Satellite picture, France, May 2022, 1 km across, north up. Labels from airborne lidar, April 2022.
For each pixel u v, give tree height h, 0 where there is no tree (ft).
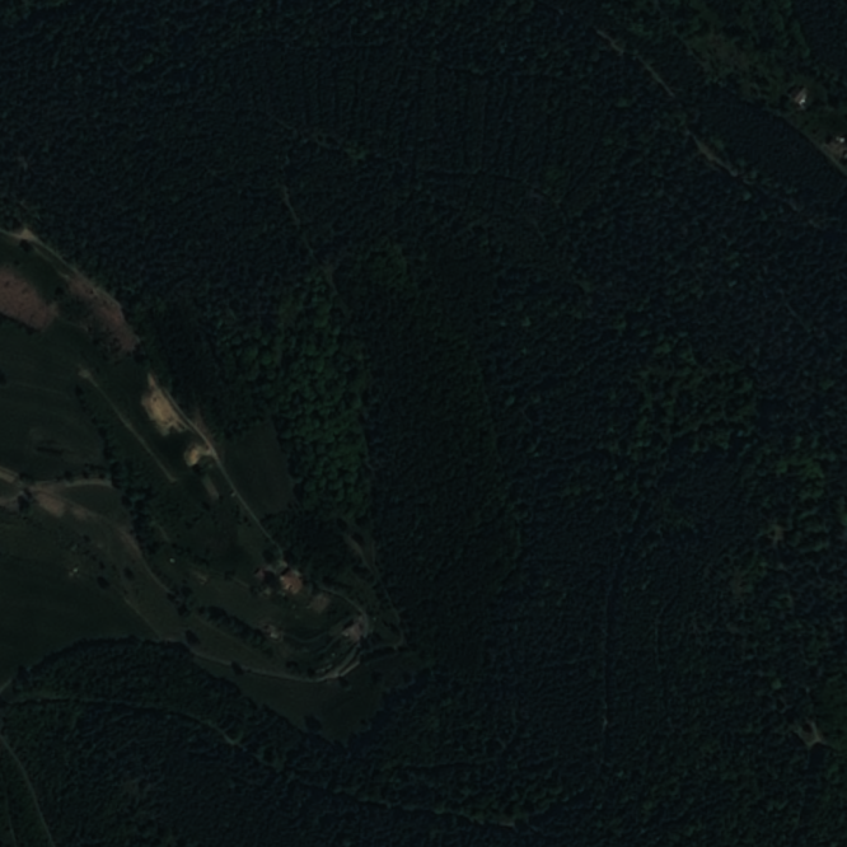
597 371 91
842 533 45
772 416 102
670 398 65
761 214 103
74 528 0
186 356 30
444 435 43
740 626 43
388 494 35
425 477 53
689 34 87
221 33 89
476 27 84
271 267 60
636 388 33
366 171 58
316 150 57
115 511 0
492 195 54
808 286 91
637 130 69
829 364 109
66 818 27
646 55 66
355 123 57
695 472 78
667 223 102
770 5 76
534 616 76
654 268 105
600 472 70
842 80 58
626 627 56
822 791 52
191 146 71
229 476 0
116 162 76
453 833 62
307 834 64
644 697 52
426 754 43
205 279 81
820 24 74
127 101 67
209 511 53
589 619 58
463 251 33
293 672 36
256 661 0
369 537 0
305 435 71
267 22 89
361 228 62
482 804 44
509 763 56
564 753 76
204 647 0
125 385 0
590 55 96
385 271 26
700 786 32
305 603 0
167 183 75
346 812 45
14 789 23
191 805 55
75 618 0
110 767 34
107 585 48
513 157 62
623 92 96
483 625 54
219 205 69
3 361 0
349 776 97
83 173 96
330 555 19
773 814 38
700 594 37
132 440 0
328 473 75
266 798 38
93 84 75
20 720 22
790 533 82
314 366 75
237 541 0
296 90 58
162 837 61
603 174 61
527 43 84
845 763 34
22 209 84
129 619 0
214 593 0
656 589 68
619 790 53
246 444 0
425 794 62
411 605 54
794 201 136
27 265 0
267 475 0
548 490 89
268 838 60
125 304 49
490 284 54
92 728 60
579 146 70
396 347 53
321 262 80
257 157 65
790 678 67
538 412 72
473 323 34
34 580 0
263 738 67
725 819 66
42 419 0
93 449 0
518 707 98
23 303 0
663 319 96
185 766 56
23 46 89
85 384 0
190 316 19
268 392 57
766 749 67
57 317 0
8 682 0
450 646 55
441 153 58
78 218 92
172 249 77
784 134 91
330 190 51
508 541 44
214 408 28
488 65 83
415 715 49
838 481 97
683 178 92
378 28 96
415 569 45
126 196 86
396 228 45
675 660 39
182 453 0
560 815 67
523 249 65
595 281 84
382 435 68
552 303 88
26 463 0
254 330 64
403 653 38
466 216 47
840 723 48
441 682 53
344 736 0
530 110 60
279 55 54
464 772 59
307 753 80
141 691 48
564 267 61
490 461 52
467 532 40
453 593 59
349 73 56
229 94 47
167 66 46
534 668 72
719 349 114
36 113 76
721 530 71
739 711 73
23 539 0
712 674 44
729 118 93
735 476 77
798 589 58
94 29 94
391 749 43
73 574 0
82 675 44
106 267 77
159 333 41
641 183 85
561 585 85
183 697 34
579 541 96
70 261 79
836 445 59
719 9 86
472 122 73
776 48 88
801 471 86
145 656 34
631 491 75
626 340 50
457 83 48
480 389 41
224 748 66
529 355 77
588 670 68
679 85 56
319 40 42
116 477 54
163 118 69
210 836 65
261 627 0
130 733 67
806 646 58
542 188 40
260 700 0
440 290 27
